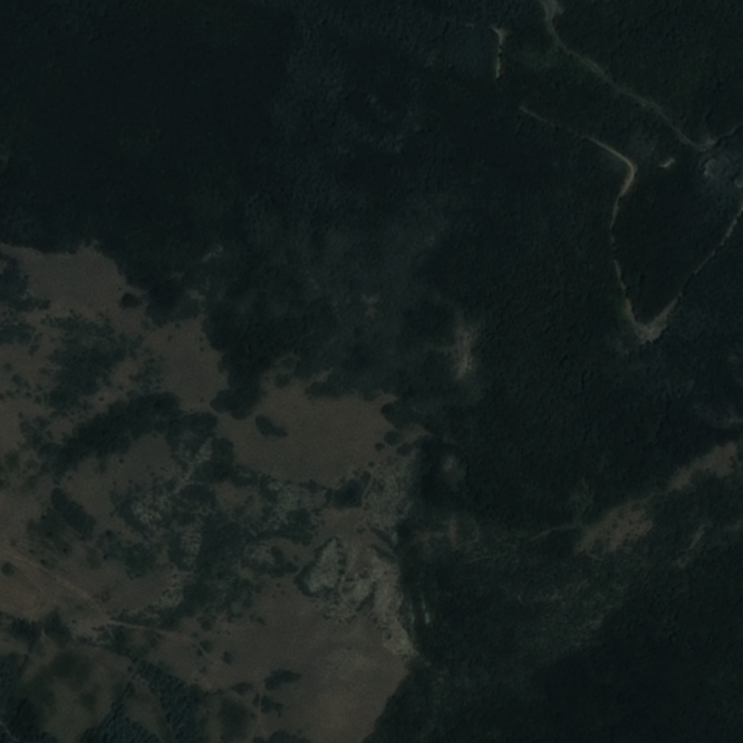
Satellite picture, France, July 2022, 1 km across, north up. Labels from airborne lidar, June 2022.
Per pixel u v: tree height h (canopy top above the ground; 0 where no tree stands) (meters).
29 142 11
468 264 11
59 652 0
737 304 9
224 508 0
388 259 6
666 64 12
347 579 0
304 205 19
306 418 0
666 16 20
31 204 9
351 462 0
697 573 11
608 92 14
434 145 11
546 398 10
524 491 7
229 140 9
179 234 8
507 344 11
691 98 6
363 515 0
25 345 0
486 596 8
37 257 0
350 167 16
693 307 8
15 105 14
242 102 13
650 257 20
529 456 13
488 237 11
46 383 0
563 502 5
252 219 11
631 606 22
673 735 23
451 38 15
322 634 0
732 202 6
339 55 20
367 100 15
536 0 10
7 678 13
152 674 10
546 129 13
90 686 0
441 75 20
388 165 16
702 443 7
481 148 15
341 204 15
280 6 14
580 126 15
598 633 8
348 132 20
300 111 20
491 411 9
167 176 14
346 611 0
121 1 14
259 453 0
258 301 7
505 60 8
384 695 0
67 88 16
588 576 6
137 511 0
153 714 0
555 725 13
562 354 20
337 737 0
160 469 0
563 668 18
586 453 16
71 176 11
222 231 8
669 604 15
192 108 14
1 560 0
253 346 17
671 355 7
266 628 0
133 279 7
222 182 8
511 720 20
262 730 0
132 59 14
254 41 13
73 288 0
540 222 6
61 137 15
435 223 6
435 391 6
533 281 11
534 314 8
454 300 7
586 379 17
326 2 19
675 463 7
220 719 0
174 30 15
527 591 6
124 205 11
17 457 0
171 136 12
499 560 6
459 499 7
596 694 19
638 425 9
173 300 12
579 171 8
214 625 0
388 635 0
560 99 13
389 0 19
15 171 14
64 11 13
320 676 0
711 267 6
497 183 11
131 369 0
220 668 0
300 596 0
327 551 0
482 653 7
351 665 0
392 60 22
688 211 12
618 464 12
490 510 14
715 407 6
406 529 10
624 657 27
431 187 9
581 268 18
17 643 0
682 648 20
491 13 15
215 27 8
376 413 0
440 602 8
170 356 0
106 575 0
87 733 8
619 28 9
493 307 16
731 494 7
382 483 0
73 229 8
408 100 17
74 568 0
